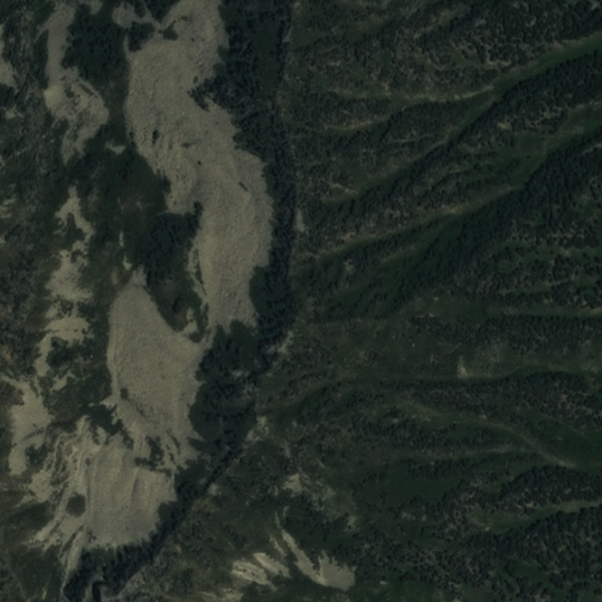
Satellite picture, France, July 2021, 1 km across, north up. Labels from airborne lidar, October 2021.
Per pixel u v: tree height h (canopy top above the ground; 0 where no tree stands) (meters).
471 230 18
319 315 12
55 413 0
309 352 11
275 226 0
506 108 10
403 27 9
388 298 13
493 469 7
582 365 0
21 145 10
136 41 7
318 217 12
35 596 0
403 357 0
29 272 9
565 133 0
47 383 0
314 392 0
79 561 0
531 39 19
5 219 0
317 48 8
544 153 0
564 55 0
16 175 0
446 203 8
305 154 16
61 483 0
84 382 0
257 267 0
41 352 0
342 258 0
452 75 7
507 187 0
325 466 0
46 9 0
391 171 0
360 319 8
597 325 15
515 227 15
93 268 0
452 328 11
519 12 9
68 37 0
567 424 0
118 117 0
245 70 9
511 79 0
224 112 0
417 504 16
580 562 10
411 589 0
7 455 0
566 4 23
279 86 8
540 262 21
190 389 0
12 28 10
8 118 10
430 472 14
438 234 0
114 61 8
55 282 0
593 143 24
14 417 0
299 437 0
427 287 9
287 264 12
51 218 0
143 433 0
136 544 0
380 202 10
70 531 0
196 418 0
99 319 0
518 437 0
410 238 7
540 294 11
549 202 26
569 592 0
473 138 7
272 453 0
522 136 0
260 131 9
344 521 9
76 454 0
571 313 0
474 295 14
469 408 13
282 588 0
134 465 0
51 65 0
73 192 0
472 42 21
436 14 16
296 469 8
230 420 17
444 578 17
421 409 0
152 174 0
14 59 7
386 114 12
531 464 0
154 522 0
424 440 9
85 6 9
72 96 0
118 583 9
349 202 0
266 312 0
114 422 0
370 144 10
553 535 22
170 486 0
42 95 0
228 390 9
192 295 0
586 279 0
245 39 8
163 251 10
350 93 0
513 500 9
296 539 0
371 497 0
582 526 20
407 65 13
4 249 0
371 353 6
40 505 0
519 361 0
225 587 0
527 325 20
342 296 0
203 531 9
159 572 8
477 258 7
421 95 0
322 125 9
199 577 0
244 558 0
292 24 7
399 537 0
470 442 17
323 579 0
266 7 0
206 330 0
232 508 0
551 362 0
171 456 0
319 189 13
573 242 16
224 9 0
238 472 0
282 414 0
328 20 11
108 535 0
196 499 11
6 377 0
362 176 0
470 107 7
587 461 0
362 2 0
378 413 0
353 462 0
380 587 0
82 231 0
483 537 11
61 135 0
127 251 0
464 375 0
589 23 27
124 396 0
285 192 8
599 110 0
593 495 20
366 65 19
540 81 19
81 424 0
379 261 11
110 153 6
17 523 0
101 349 0
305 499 9
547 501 21
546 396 15
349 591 0
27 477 0
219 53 0
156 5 12
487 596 0
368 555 10
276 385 0
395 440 8
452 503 12
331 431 11
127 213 0
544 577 0
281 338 14
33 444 0
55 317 0
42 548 0
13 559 0
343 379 0
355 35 0
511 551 15
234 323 0
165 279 6
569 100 12
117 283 0
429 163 6
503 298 20
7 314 0
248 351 0
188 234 0
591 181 24
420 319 15
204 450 0
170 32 0
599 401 19
